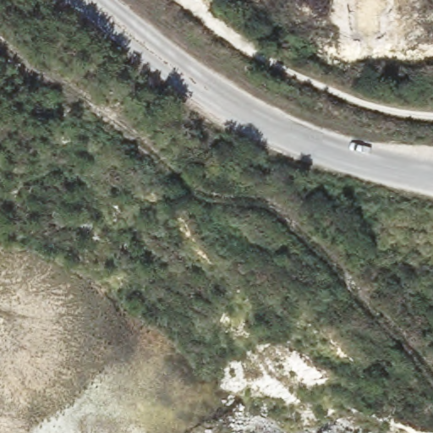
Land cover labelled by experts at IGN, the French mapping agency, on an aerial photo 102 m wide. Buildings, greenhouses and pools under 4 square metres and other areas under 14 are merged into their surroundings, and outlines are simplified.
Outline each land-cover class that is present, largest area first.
<instances>
[{"label":"herbaceous vegetation","instance_id":"1","mask_svg":"<svg viewBox=\"0 0 433 433\"><path fill-rule=\"evenodd\" d=\"M135 14L151 22L169 41L191 54L196 61H200L216 73L223 74L255 98L266 101L272 107L281 108L293 117L338 134L348 135L352 137L355 145L362 147H370L374 142L433 147V120L397 117L372 108L359 107L340 96L332 95L328 90H320L311 83L299 81L288 74L281 83L277 79L264 78L260 73H250L252 56L237 49L227 39L216 36L198 15L184 8L176 0H122ZM257 7L266 8L276 25L282 27V36H298L311 44L316 42L318 37L326 39L337 27L333 22L330 25H316L318 20L332 14L333 0H254ZM213 140L208 137L203 142L200 140L198 147H184L179 151L178 164L173 169L174 173L181 174L184 183L191 186L196 198H200L201 201L227 203V198L237 195L266 198L269 208L276 210L286 220L282 228L291 238L286 247L282 245L279 249H266L262 245L254 244L249 254L240 255L238 262L232 264L230 260L218 259L216 255H208L201 249L200 240L189 228V220L167 216L166 211H159L147 218H142L137 213L134 215L132 227L110 228L103 218L95 222L101 230L100 240H95V250H79L78 266L58 255H46L44 260L52 266V286L59 288L64 282L71 286L64 291V296L73 294V299L66 301L63 304L64 308H85L83 313L74 315L73 320L83 326V333H88L96 340H107V333L101 330V323L105 320L103 310L110 303L105 294L95 291L93 282L112 274H125L123 288L117 289V294H113L118 306L125 310V313H129V316H142L149 325L156 326L161 332L166 333L176 352L188 359L191 369L200 379L215 382L216 386H220L225 365L228 362H244L247 352H254L257 345L262 343L282 345L288 348L289 352H296L301 360L310 357L315 369L325 370L337 357L345 362H357L364 367L370 365L369 357L362 354L359 348H354V343L345 342L342 345L337 332L328 325V321L316 316V311L332 310L337 308L340 301H348V289L343 276L352 274L354 279H357L367 264L370 267H387L392 262H408L409 266L416 267L428 257L433 264V198L403 189L389 188L384 184L365 181L350 174L321 169L311 162L310 156L293 159L271 151L267 145L259 151L252 145L245 152L230 151L227 157H223L218 156V151L213 149ZM222 315L238 316L240 323H244L245 328L249 330V337H232V333L222 330ZM288 391L303 403L311 404V411L315 413L316 428L323 423L332 428L340 418L354 421L359 409L354 408V404L348 401L347 397L333 396L332 387L326 382L316 386L293 384ZM240 406H244L245 411L259 418L274 419L277 423L301 421V414L294 409L293 404H286L281 397L264 394L252 399H242Z\"/></svg>","mask_w":433,"mask_h":433},{"label":"brushwood","instance_id":"2","mask_svg":"<svg viewBox=\"0 0 433 433\"><path fill-rule=\"evenodd\" d=\"M210 14L238 32L245 41L254 44L255 54L252 56L250 73H260L264 78L277 79L281 83L288 74L284 73L286 69H298L303 74L315 76L323 83H332L340 90L348 91L365 100L377 101L391 107L433 112V74L416 76L409 79L406 85L399 86L392 79H381L372 69L364 68V63L360 59H342L338 64L326 63V59L318 56L316 42L311 44L298 36H282V27L276 25L266 8L257 7L254 0H211L208 7ZM24 105V112H17L15 105H10V101L0 105V245H20L46 255H58L78 266L79 250H95V240H100L101 230L95 222L103 218L110 228L132 227L134 215L137 213L142 218H147L159 211H166L167 216L189 220V228L200 240L201 249L208 255H216L218 259L230 260L232 264L238 262L240 255L249 254L254 244L262 245L266 249H279L282 245L286 247L291 238L282 228L286 220L276 210L269 208L266 198L237 195L227 198V203L201 201L200 198H196L191 186L184 183L181 174L174 173L173 169L166 161H162L159 154H142L137 140L125 139L122 130L115 129L112 123L98 117L95 120H85V117H71V101H66L64 93L52 90L29 91L27 86L20 88L17 95ZM56 103H63V122H41L39 118L30 117V112L34 108H54ZM357 279L370 286L372 293L369 301L364 303L357 291L348 289V301H340L337 308L332 310L316 311V316L328 321V325L337 332L342 345L345 342L354 343V348H359L362 354L369 357L370 365L364 367L357 362H345L337 357L325 370L326 382L332 387L333 396L347 397L348 401L354 404V408L359 409L354 421L355 425H362V428H343L340 433H389V423L372 421V414L391 416L397 423L411 426L414 430L433 431V264L428 257L416 267L409 266L408 262H392L387 267H370L367 264Z\"/></svg>","mask_w":433,"mask_h":433},{"label":"pervious surface","instance_id":"3","mask_svg":"<svg viewBox=\"0 0 433 433\"><path fill-rule=\"evenodd\" d=\"M184 8L198 15L216 36L227 39L237 49L252 56L255 54L254 44L245 41L238 32L210 14L208 7L211 0H176ZM332 14L318 20L316 25H330L333 22L337 27L326 39L318 37L316 42L318 56L326 59V63L338 64L342 59H360L364 63V68L372 69L381 79H392L399 86L406 85L409 79L416 76L433 74V0H333ZM284 73L288 74L299 81L311 83L320 90H328L332 95L340 96L359 107L372 108L397 117L433 120V112L391 107L377 101L365 100L348 91L340 90L332 83H323L315 76L303 74L298 69H286ZM90 108L98 117L112 123L115 129L122 130L125 139L137 140L142 154H159L161 145L152 142L151 135L145 130L134 129L130 120L123 117L120 103H110L107 107L93 101ZM46 255L20 245H0V433H340L343 428H362V425H355L354 421L340 418L332 428L323 423L316 428L315 413L311 411V404L303 403L288 391L293 384L316 386L326 382L325 370L315 369L310 357L301 360L296 352H289L288 348L282 345L262 343L257 345L254 352H247L244 362H228L225 365L220 386H216L215 382L200 379L191 369L188 359L176 352L166 333L161 332L156 326L149 325L142 316H129V313H125V310L118 306L113 294H117V289L123 288L125 274H112L93 282L95 291L105 294L110 303L103 310L105 320L101 323V330L107 333V340H96L88 333H83V326L73 320L74 315L83 313L85 308H64L63 304L66 301L73 299V294L64 296V291L71 286L64 282L59 288L52 286V266L44 260ZM264 394L281 397L286 404H293L294 409L301 414V421L277 423L274 419L259 418L245 411L244 406H240L242 399H252ZM348 289L357 291L364 303L369 301L372 293L370 286L357 279H354L352 274L343 276ZM222 330L232 333V337H249V330L245 328L244 323H240L238 316L222 315ZM372 421L389 423V433H433V431L414 430L411 426L397 423L391 416L372 414Z\"/></svg>","mask_w":433,"mask_h":433},{"label":"impervious surface","instance_id":"4","mask_svg":"<svg viewBox=\"0 0 433 433\"><path fill-rule=\"evenodd\" d=\"M56 12L78 15L79 27L86 32L91 42H95L101 56L107 59L108 63L117 64L118 68L122 69L118 73V81H123L130 90L135 88L139 91H151L157 95L173 96L174 101H186L189 107L183 112V120H173L171 129H191V139L200 140L203 142L208 137L213 140L228 139V135L233 134L252 145L259 151L267 145L271 151L293 159L310 156L311 162L321 169L350 174L365 181L384 184L389 188L403 189L433 198V147L374 142L370 147H362L355 145L352 137L348 135L338 134L293 117L281 108L272 107L266 101L255 98L223 74L216 73L200 61H196L191 54L169 41L151 22L135 14L122 0H58L52 8V15Z\"/></svg>","mask_w":433,"mask_h":433},{"label":"coniferous trees","instance_id":"5","mask_svg":"<svg viewBox=\"0 0 433 433\"><path fill-rule=\"evenodd\" d=\"M58 0H0V105L10 101V105H15L17 112H24V105L17 95L20 88L27 86L29 91L52 90L64 93L66 101H71V117H85V120H95L98 117L90 108L93 101L107 107L110 103H120L123 117L130 120L134 129L145 130L151 135L152 142L161 145L159 154L162 161H166L173 169L178 164L179 151L184 147H198L200 140L191 139V129H171L173 120H183V112L189 107L186 101H174L173 96L157 95L151 91H139L135 88L130 90L123 81H118V73L122 69L118 68L117 64L108 63L107 59L101 56L95 42H91L86 32L79 27L78 15L56 12L52 15V8ZM63 103H56L54 108H34L30 112V117L39 118L41 122H63ZM213 149L218 151V156L223 157H227L230 151L245 152L252 145L233 134L228 135V139L213 140Z\"/></svg>","mask_w":433,"mask_h":433}]
</instances>
